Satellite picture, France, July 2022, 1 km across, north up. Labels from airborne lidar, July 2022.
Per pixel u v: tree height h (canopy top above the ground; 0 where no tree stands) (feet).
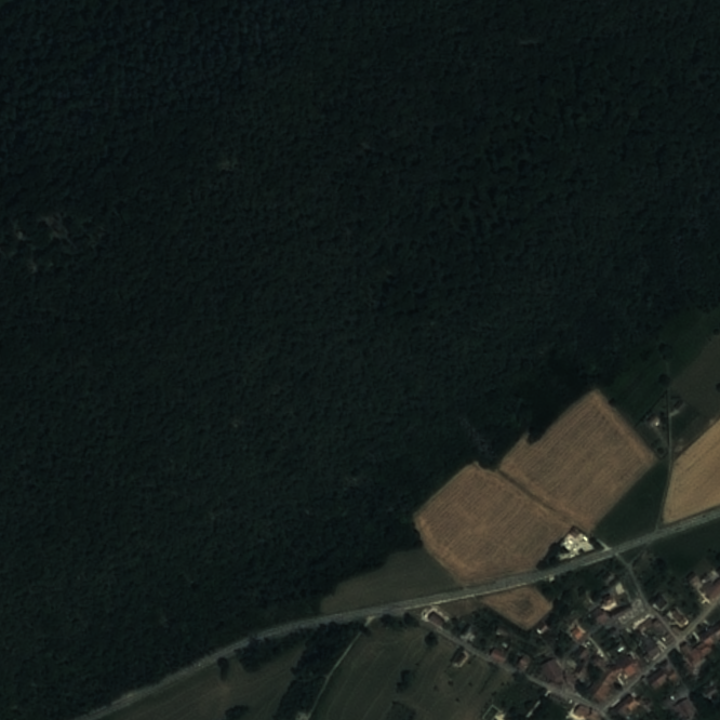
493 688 0
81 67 51
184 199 74
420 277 87
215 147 56
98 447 56
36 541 60
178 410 52
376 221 67
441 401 60
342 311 55
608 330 72
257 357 36
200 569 60
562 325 64
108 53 96
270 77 70
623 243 39
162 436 48
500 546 0
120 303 60
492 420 75
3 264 66
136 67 83
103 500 48
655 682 0
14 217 81
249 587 26
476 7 66
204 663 0
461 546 0
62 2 91
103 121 71
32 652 48
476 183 93
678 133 65
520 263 66
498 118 108
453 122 65
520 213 86
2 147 97
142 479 34
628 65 82
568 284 36
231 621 0
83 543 49
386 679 0
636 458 0
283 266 52
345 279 46
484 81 70
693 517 0
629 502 0
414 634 0
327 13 82
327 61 49
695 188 80
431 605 0
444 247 73
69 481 68
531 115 89
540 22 64
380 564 33
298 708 27
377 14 60
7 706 31
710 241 85
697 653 0
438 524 0
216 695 0
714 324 0
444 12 55
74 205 72
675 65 82
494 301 64
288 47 71
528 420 90
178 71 82
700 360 0
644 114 74
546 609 0
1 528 44
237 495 46
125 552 48
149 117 73
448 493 0
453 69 71
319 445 54
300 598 91
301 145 73
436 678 0
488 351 65
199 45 79
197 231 66
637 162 82
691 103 74
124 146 67
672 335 0
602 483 0
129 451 54
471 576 0
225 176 51
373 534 82
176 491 33
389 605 0
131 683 52
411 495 63
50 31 59
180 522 48
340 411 62
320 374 33
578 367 33
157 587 55
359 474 71
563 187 68
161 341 55
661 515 0
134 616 53
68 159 77
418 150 76
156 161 67
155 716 0
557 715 0
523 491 0
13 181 90
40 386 70
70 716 19
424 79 63
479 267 63
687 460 0
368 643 0
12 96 73
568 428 0
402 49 94
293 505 39
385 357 61
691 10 56
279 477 46
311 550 93
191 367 36
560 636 17
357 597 0
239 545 62
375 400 56
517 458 0
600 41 73
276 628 0
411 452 69
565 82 88
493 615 19
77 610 62
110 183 80
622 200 51
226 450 54
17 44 105
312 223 69
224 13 84
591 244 43
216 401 46
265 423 18
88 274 67
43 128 79
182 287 64
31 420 61
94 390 43
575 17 26
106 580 34
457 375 46
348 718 0
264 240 64
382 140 98
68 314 75
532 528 0
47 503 42
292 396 37
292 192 65
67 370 68
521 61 61
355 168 84
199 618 76
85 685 79
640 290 79
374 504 71
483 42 65
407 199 67
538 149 92
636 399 0
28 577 55
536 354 69
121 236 71
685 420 0
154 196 72
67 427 58
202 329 55
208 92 54
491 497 0
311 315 49
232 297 64
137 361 50
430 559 0
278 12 86
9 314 68
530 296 55
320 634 32
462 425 77
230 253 49
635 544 0
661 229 81
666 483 0
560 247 39
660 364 0
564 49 74
